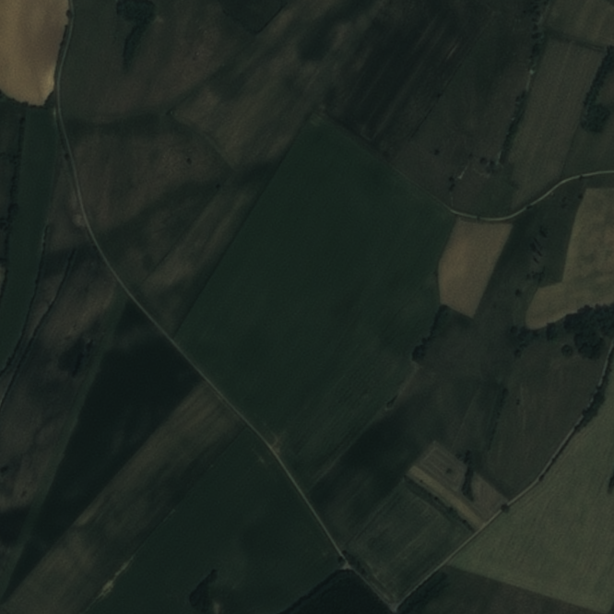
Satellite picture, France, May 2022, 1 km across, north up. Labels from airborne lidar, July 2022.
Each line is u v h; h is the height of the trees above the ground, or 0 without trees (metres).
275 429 0
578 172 0
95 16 0
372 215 0
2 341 0
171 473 0
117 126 0
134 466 0
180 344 0
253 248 0
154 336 0
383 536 0
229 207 0
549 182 0
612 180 0
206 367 0
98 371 0
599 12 0
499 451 0
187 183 0
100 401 0
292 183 0
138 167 0
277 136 0
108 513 0
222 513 0
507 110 0
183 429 0
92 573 0
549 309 0
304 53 0
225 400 0
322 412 0
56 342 0
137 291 0
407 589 0
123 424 0
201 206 0
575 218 0
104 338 0
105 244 0
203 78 0
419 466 0
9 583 0
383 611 12
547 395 0
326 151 0
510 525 0
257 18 0
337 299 0
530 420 0
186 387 0
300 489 0
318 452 0
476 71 0
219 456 0
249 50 0
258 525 0
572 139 0
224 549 0
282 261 0
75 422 0
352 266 0
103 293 0
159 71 0
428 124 0
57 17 0
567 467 0
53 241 0
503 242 0
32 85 0
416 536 0
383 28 0
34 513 0
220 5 0
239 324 0
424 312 0
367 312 0
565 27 0
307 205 0
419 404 0
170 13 0
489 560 0
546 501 0
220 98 0
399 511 0
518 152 0
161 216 0
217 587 0
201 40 0
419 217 0
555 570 0
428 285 0
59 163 0
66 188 0
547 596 0
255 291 0
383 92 0
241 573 0
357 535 0
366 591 13
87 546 0
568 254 0
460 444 0
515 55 0
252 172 0
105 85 0
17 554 0
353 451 0
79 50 0
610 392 0
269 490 0
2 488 0
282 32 0
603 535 0
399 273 0
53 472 0
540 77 0
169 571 0
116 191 0
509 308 0
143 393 0
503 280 0
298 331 0
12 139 0
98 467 0
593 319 25
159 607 0
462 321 0
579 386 0
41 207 0
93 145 0
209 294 0
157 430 0
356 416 0
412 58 0
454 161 0
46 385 0
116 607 0
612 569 0
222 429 0
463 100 0
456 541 0
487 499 0
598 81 11
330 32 0
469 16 0
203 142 0
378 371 0
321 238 0
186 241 0
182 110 0
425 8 0
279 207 0
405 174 0
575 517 0
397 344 0
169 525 0
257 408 0
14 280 0
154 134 0
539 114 0
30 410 0
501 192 0
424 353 12
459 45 0
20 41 0
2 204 0
